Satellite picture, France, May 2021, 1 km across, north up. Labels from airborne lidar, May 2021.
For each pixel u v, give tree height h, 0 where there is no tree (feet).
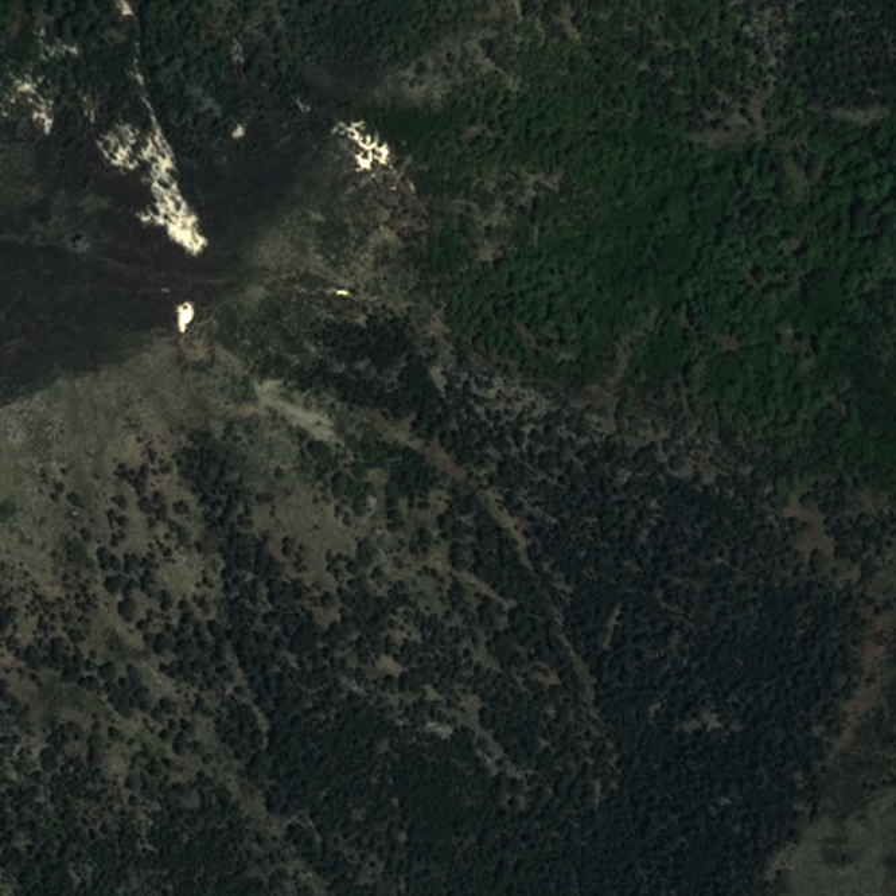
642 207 25
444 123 32
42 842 81
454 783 56
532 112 75
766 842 69
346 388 46
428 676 75
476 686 49
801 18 26
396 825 60
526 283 60
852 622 49
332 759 64
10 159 0
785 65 38
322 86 0
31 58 22
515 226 26
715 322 94
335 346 40
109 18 38
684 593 82
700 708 88
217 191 0
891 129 42
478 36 0
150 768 43
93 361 0
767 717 34
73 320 0
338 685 59
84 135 25
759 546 56
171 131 19
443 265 28
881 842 0
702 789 35
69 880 66
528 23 24
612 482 81
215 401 0
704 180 58
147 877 92
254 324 0
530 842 106
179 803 70
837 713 75
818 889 0
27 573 30
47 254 0
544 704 63
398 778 59
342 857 72
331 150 0
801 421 66
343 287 0
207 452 38
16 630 36
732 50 43
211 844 51
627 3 36
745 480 23
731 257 69
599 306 30
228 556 69
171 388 0
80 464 0
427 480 49
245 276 0
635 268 35
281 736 89
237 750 91
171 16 22
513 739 91
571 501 62
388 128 33
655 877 39
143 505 44
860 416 37
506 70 31
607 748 73
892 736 28
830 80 86
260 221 0
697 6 45
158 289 0
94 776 46
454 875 52
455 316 48
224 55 35
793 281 87
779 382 64
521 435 45
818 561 47
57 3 65
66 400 0
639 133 27
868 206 91
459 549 84
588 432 56
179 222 0
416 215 31
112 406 0
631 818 45
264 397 0
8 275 0
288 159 0
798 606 70
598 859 59
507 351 58
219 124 26
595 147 37
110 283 0
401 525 34
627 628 48
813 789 31
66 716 0
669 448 35
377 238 0
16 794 73
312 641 73
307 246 0
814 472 35
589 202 38
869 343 41
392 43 28
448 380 24
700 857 50
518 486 73
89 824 89
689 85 23
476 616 72
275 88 18
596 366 35
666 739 49
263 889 77
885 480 26
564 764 31
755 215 81
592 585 55
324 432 0
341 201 0
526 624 102
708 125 65
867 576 24
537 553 42
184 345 0
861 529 45
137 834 34
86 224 0
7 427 0
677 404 36
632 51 66
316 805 77
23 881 62
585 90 43
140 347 0
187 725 82
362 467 54
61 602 37
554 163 40
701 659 71
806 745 45
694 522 26
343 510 33
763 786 70
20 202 0
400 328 32
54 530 0
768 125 31
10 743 64
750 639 43
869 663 0
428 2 27
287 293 0
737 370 28
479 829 51
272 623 84
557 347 54
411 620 43
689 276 50
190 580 0
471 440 53
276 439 0
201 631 94
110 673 74
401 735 95
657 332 24
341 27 23
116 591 77
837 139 24
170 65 31
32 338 0
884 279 31
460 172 42
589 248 47
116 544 48
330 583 0
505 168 34
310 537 0
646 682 75
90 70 20
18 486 0
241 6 31
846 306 58
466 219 34
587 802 77
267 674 72
